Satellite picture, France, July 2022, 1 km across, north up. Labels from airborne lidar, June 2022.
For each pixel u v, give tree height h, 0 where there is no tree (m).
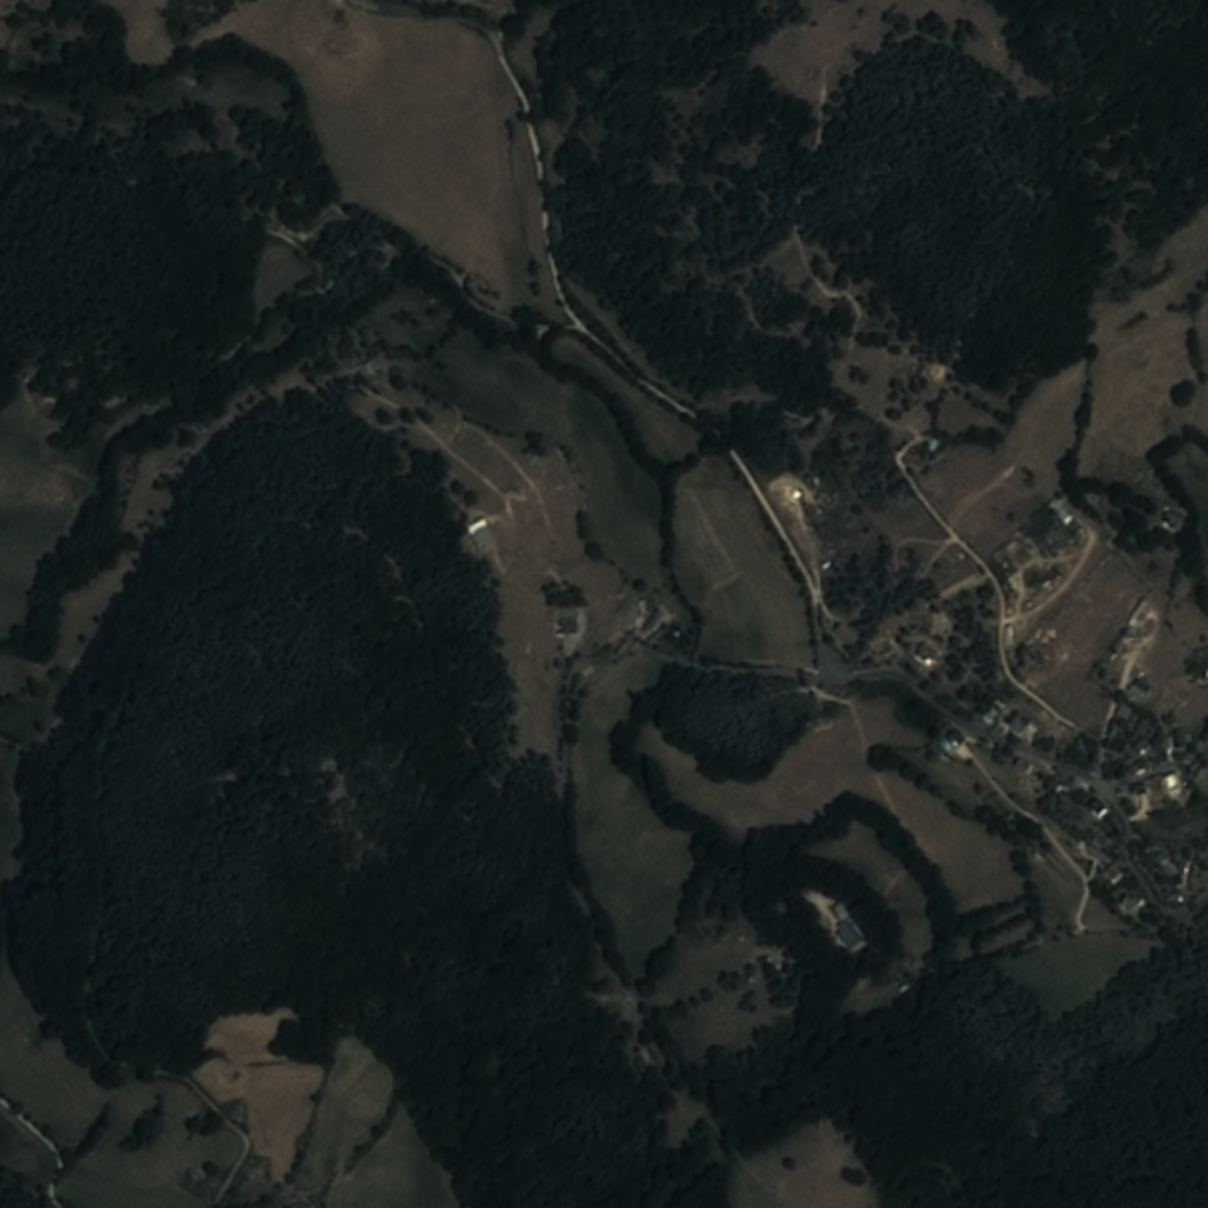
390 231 15
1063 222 16
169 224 16
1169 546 8
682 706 13
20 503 0
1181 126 14
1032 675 0
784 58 0
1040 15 11
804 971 14
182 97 0
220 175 12
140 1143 7
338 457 17
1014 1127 20
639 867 0
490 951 19
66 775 21
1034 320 13
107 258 24
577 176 11
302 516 14
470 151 0
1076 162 15
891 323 9
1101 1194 21
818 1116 11
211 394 16
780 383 9
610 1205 19
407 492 19
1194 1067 28
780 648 0
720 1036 0
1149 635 0
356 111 0
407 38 0
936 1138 25
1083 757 8
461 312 11
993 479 0
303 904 15
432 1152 7
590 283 11
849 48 0
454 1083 7
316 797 11
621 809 0
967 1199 10
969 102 15
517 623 0
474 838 17
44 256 26
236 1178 0
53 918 23
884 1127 22
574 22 14
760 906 17
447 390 0
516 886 13
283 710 21
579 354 0
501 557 0
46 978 26
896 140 21
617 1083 12
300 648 21
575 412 0
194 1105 0
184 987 15
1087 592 0
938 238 18
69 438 10
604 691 0
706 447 17
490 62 0
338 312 14
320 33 0
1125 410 0
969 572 0
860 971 21
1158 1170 29
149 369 15
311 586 11
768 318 7
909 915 0
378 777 8
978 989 15
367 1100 0
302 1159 8
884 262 10
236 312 23
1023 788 0
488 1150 10
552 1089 19
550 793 8
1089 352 9
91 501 8
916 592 15
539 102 9
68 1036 15
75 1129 0
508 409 0
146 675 18
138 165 17
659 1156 18
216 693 15
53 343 26
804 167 11
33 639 23
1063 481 8
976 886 0
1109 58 9
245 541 14
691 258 15
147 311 24
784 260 0
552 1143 20
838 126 10
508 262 0
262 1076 0
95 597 0
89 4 14
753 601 0
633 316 12
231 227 25
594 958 11
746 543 0
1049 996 0
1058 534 0
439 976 12
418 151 0
